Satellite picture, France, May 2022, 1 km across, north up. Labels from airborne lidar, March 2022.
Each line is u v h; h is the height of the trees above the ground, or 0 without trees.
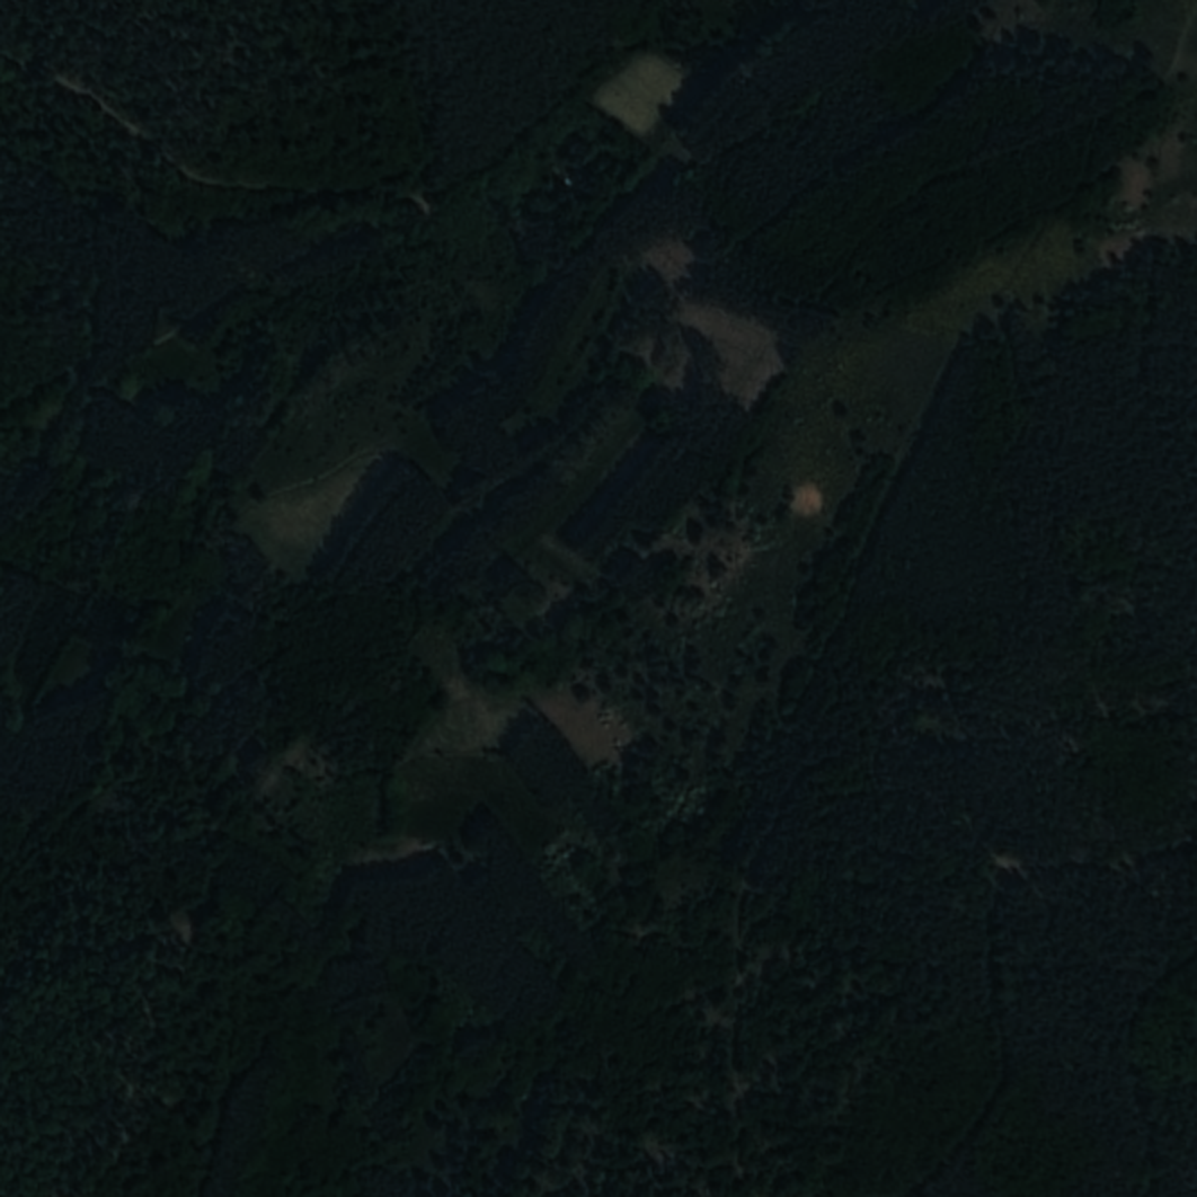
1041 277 0
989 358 16
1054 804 26
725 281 21
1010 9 0
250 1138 20
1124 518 28
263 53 24
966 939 13
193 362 0
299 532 0
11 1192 20
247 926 27
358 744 12
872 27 27
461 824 0
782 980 14
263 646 12
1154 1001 24
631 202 29
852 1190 18
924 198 17
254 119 12
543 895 24
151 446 28
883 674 25
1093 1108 25
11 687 25
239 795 9
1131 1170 20
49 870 20
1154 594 26
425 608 8
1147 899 32
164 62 37
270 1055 20
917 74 10
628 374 21
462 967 27
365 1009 30
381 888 31
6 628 26
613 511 27
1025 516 24
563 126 18
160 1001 23
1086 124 16
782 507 6
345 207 37
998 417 18
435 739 0
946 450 16
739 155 14
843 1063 10
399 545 27
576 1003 16
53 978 21
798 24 30
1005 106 20
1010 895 29
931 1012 19
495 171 19
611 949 17
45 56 36
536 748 25
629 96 0
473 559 19
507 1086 13
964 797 26
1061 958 32
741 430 23
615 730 0
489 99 23
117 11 36
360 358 13
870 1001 15
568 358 0
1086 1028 31
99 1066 21
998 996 23
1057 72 19
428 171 20
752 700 0
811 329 20
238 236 31
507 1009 24
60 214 31
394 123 18
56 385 14
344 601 12
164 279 31
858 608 17
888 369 0
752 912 6
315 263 26
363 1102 22
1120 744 21
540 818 0
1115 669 21
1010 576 16
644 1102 12
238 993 17
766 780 20
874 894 20
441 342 8
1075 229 6
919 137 22
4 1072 16
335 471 0
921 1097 19
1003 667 24
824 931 14
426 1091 21
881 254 12
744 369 0
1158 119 11
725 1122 28
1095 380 30
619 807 9
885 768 25
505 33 25
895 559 17
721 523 16
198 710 24
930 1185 19
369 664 10
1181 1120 30
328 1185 13
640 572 27
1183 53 0
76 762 24
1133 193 0
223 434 29
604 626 19
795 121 11
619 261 23
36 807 19
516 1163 26
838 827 29
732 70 26
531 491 27
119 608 6
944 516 16
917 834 24
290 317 7
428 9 26
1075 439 25
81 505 14
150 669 28
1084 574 22
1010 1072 27
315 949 28
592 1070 14
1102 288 24
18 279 24
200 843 13
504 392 27
